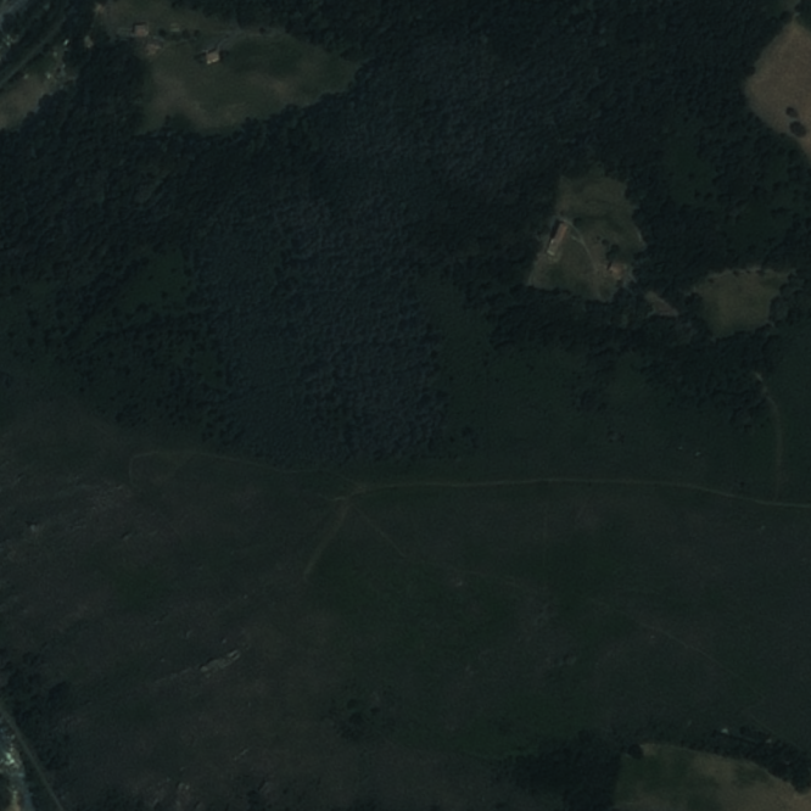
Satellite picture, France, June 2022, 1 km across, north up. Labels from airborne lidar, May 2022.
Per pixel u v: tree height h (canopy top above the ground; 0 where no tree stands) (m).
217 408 16
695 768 0
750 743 6
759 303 0
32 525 11
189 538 0
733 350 12
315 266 26
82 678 0
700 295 7
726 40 21
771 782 0
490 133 21
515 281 15
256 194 14
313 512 0
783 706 0
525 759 6
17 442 0
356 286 17
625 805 0
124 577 0
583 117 21
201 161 26
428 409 17
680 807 0
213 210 20
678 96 19
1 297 7
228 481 0
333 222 20
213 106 0
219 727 0
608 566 0
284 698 0
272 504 0
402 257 11
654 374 8
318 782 6
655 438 0
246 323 22
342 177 27
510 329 9
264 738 0
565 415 0
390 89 20
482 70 24
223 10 19
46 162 15
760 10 15
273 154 29
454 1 21
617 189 0
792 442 0
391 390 18
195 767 0
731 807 0
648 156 19
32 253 16
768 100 0
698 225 18
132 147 17
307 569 0
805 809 0
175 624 0
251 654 0
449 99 22
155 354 12
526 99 24
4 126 0
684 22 22
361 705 13
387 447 16
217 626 0
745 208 10
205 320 9
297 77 0
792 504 0
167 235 16
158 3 0
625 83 24
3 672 9
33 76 0
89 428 0
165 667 0
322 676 0
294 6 17
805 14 11
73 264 9
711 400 11
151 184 17
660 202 16
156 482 0
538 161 19
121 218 16
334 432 20
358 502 0
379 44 19
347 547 0
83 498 0
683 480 0
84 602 0
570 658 11
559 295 17
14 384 10
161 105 0
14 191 13
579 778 13
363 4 19
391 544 0
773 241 10
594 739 8
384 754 0
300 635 0
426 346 22
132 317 11
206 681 0
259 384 22
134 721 0
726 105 19
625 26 25
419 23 22
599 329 17
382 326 19
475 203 19
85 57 18
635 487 0
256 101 0
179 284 0
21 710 10
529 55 26
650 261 15
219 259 22
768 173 8
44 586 0
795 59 0
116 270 5
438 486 0
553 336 13
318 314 23
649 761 0
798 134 10
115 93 16
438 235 19
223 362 15
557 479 0
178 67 0
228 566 0
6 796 16
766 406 6
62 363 9
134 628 0
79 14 11
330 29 11
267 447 15
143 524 0
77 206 16
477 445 10
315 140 26
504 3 15
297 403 19
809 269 14
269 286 20
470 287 16
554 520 0
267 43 0
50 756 13
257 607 0
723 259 15
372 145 25
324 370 20
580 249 0
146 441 0
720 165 7
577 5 19
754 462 0
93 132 19
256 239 21
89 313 9
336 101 22
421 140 26
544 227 14
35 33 13
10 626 0
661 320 17
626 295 12
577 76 24
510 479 0
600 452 0
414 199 23
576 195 0
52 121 24
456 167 24
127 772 0
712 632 0
